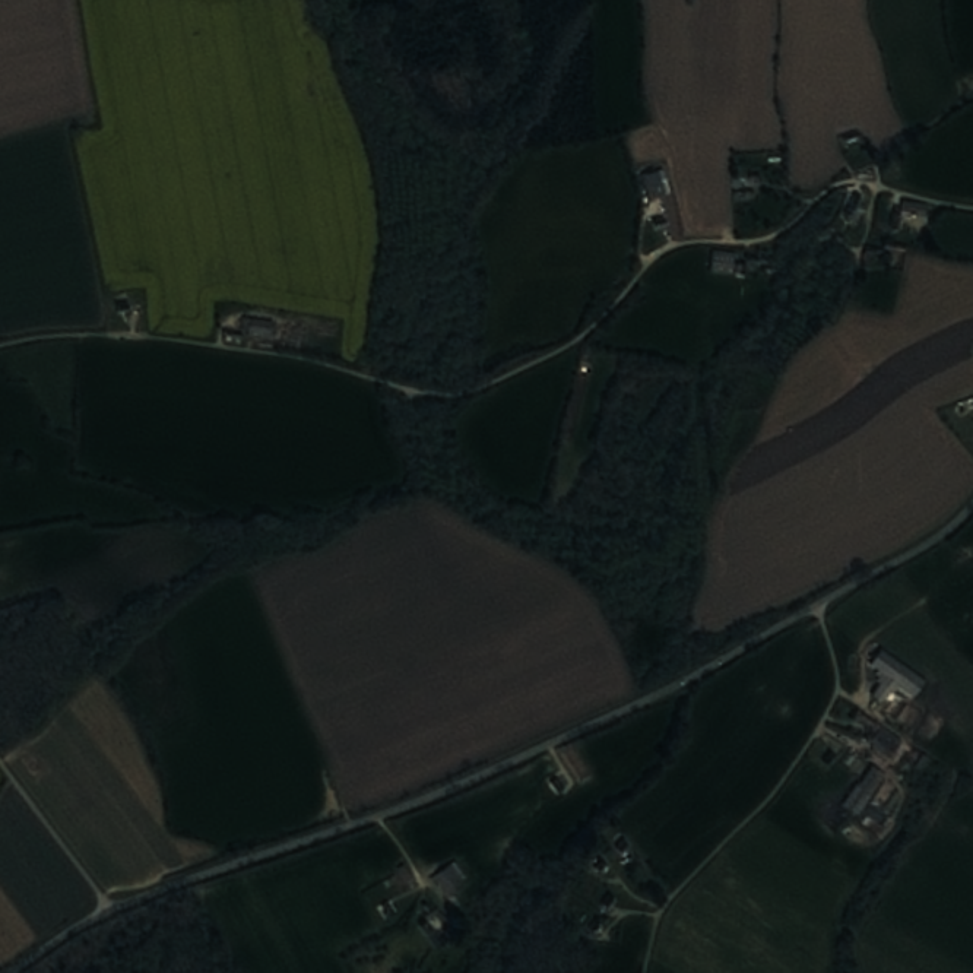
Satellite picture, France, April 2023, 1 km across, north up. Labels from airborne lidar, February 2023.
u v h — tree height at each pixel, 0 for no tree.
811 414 0
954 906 0
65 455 0
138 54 0
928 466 0
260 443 0
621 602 9
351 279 0
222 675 0
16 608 11
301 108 0
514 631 0
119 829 0
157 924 7
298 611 0
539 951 23
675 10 0
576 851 18
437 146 15
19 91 0
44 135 0
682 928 0
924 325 0
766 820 0
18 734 17
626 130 7
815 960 0
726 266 0
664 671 10
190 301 0
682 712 13
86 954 7
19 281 0
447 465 11
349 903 0
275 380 0
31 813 0
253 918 0
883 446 0
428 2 16
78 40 0
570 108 15
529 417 0
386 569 0
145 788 0
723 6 0
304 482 0
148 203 0
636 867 12
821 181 0
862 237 0
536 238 0
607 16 0
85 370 0
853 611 0
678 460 27
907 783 0
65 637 19
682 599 12
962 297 0
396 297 12
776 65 6
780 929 0
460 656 0
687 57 0
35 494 0
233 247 0
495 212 0
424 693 0
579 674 0
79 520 8
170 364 0
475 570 0
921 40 0
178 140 0
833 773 0
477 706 0
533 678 0
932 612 0
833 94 0
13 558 0
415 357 9
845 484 0
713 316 0
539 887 23
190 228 0
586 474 16
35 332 0
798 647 0
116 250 0
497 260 0
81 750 0
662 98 0
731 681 0
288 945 0
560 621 0
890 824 0
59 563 0
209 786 0
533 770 0
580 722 0
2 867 0
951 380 0
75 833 0
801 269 14
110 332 0
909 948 0
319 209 0
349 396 0
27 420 0
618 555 30
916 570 0
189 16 0
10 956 0
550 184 0
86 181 0
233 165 0
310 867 0
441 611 0
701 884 0
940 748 0
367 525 0
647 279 0
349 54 6
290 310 0
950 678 0
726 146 0
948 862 0
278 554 11
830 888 0
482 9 11
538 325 0
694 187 0
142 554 0
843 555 0
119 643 14
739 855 0
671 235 0
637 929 0
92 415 0
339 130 0
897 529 0
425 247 13
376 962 9
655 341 0
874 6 0
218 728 0
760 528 0
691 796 0
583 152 0
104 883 0
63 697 8
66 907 0
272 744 0
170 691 0
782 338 24
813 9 0
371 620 0
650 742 0
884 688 0
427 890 0
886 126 0
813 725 0
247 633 0
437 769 0
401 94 18
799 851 0
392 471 0
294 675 0
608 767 0
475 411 0
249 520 9
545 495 12
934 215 7
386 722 0
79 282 0
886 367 0
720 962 0
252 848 10
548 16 16
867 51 0
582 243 0
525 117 24
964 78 0
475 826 0
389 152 14
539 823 0
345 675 0
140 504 0
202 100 0
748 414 0
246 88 0
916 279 0
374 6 15
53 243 0
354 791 0
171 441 0
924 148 0
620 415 10
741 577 0
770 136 0
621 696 0
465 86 18
